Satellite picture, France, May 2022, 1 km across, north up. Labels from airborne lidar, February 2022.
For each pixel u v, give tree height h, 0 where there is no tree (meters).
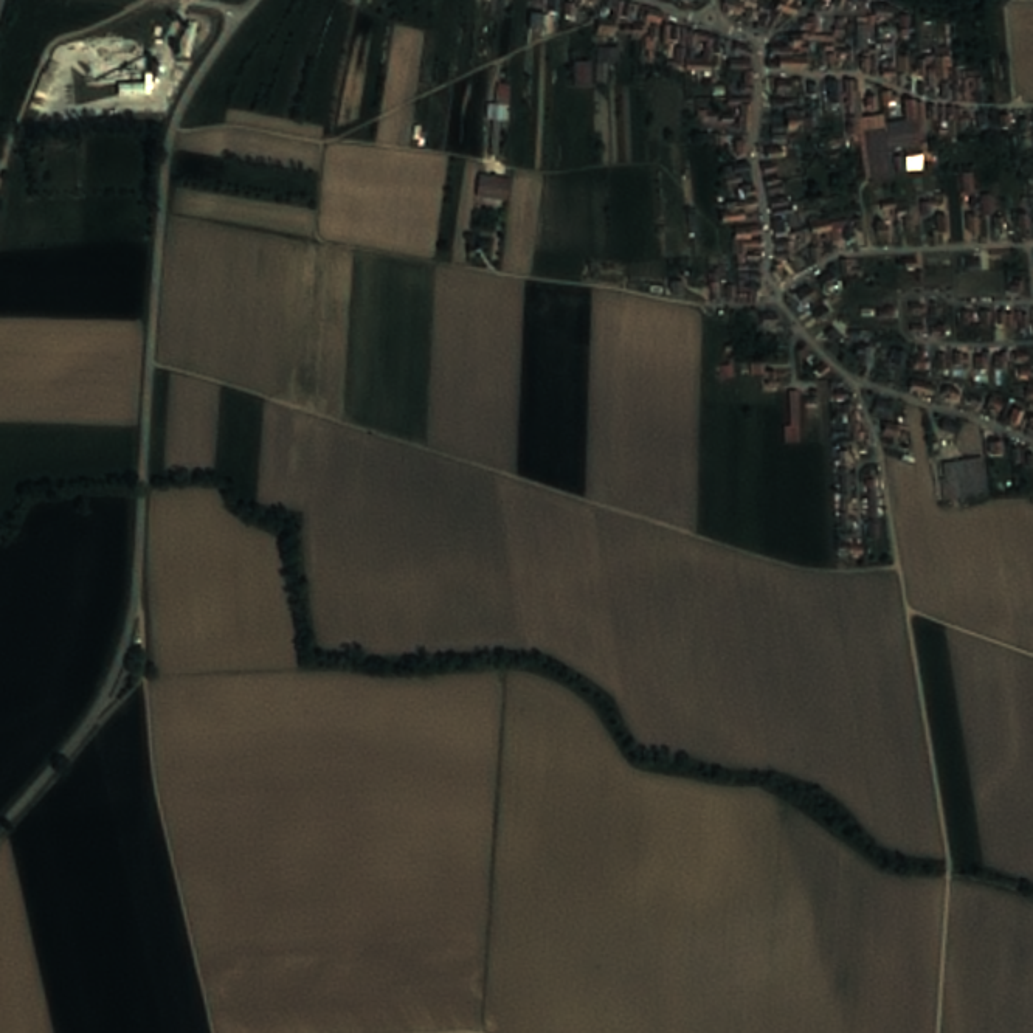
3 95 0
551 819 0
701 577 0
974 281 0
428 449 0
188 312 0
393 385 0
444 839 0
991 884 0
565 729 0
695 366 0
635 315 0
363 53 0
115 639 0
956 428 10
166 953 0
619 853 0
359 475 0
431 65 0
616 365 0
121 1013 0
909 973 0
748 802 0
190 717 0
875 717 0
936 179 0
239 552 0
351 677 0
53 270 0
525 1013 0
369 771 0
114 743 0
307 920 0
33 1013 0
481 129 0
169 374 0
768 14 0
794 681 0
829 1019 0
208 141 0
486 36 0
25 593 0
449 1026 0
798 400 0
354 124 0
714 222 0
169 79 0
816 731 0
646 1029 0
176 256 0
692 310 0
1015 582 0
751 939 0
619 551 0
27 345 0
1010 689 0
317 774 0
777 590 0
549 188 0
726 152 0
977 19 7
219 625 0
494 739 0
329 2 0
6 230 0
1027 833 0
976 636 0
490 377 0
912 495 0
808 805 12
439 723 0
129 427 0
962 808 0
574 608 0
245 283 0
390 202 0
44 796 0
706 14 0
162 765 0
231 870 0
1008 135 7
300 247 0
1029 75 0
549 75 0
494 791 0
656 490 0
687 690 0
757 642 0
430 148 0
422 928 0
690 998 0
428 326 0
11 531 12
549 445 0
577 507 0
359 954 0
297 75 0
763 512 0
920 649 0
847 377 0
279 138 0
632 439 0
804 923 0
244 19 0
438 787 0
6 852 0
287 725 0
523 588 0
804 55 0
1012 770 0
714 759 0
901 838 0
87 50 0
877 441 0
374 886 0
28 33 0
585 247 0
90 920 0
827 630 0
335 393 0
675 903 0
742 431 0
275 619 0
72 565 0
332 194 0
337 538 0
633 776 0
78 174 0
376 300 0
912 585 0
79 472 0
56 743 0
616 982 0
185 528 0
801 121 0
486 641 0
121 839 0
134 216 0
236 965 0
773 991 0
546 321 0
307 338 0
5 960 0
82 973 0
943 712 0
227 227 0
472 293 0
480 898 0
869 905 0
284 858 0
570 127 0
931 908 0
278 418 0
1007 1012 0
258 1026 0
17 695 0
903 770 0
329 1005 0
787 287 0
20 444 0
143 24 0
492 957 0
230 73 0
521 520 0
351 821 0
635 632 0
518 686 0
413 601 0
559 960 0
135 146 0
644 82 0
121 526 0
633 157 0
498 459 0
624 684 0
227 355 0
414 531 0
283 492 0
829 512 0
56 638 0
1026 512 0
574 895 0
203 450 0
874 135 0
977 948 0
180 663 0
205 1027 0
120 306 0
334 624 0
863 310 0
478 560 0
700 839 0
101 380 0
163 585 0
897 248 0
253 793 0
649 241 0
